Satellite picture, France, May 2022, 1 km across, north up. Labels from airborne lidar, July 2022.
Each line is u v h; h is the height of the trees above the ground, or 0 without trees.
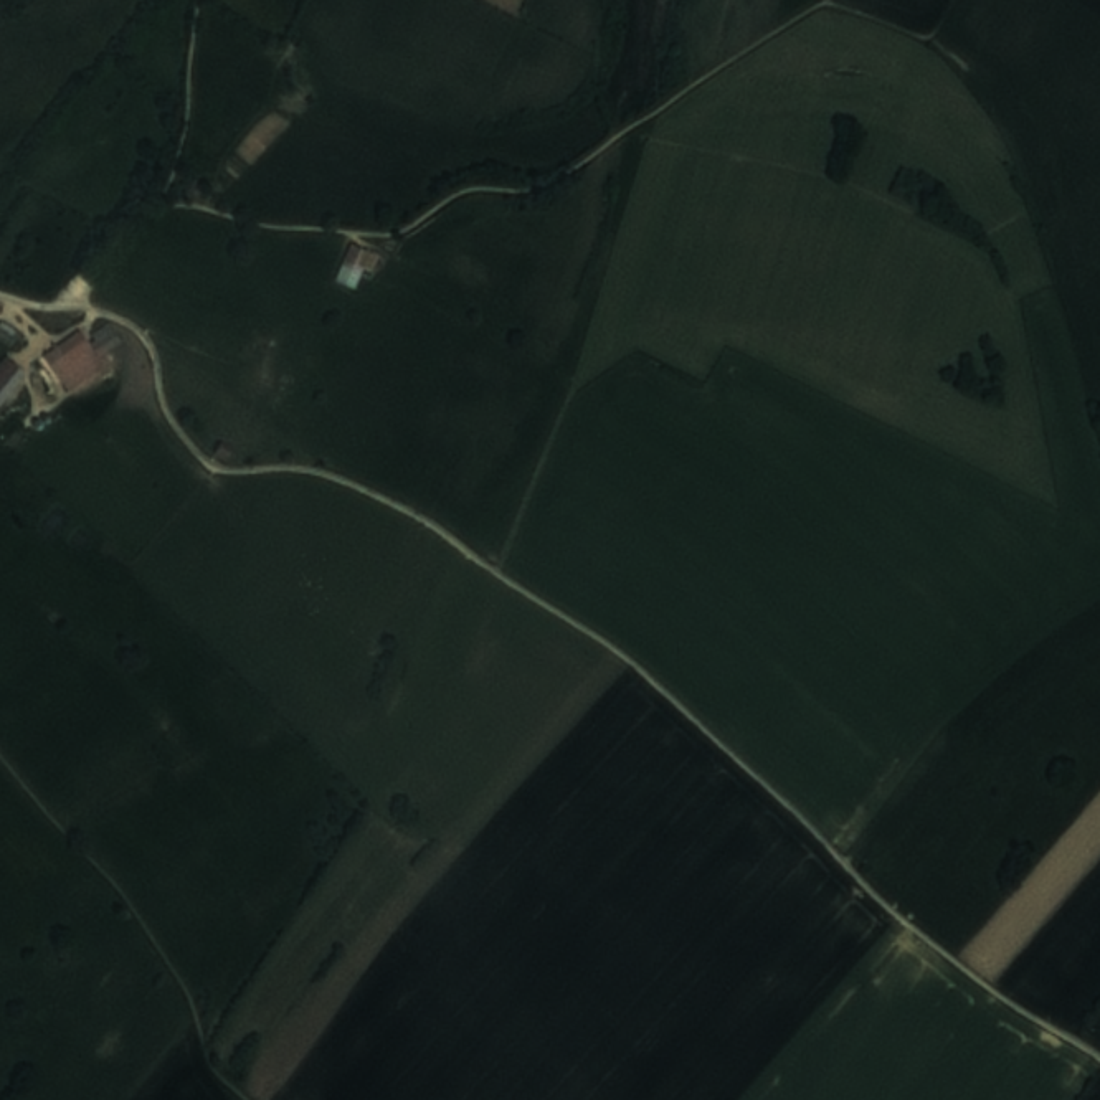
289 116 0
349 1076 0
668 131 0
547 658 0
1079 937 0
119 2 0
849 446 0
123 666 15
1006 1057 0
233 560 0
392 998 0
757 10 0
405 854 0
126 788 0
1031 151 0
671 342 0
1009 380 0
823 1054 0
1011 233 0
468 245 0
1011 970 0
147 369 0
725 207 0
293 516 0
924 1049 0
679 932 0
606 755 0
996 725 0
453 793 0
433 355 0
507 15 7
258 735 0
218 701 0
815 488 0
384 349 0
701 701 0
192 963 0
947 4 0
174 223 0
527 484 0
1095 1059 0
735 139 0
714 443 0
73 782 0
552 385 0
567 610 0
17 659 0
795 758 0
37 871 0
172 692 0
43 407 0
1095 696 0
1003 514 0
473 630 0
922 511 0
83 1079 0
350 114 0
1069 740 0
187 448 0
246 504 0
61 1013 0
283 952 0
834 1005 0
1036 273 0
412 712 0
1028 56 0
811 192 0
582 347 0
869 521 0
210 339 0
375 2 0
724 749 0
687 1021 0
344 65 0
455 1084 0
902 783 0
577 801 0
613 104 0
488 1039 0
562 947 0
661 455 0
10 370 0
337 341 0
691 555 0
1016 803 0
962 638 0
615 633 0
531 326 0
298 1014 0
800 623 0
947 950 0
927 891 0
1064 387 0
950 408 0
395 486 0
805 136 0
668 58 8
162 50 0
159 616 0
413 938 0
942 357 0
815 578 0
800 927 0
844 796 0
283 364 0
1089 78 0
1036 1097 0
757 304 0
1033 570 0
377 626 0
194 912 0
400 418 0
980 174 0
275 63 0
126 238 20
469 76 0
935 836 0
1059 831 0
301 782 0
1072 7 0
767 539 0
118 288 0
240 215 13
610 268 0
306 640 0
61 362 0
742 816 0
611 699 0
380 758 0
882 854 0
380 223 10
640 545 0
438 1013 0
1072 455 0
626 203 0
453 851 0
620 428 0
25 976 0
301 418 0
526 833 0
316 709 0
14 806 0
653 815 0
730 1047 0
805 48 0
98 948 0
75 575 0
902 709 0
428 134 0
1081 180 0
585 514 0
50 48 0
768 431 0
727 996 0
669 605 0
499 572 0
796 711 0
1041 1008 0
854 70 0
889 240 0
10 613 0
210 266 0
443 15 0
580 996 0
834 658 0
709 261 0
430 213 0
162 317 0
